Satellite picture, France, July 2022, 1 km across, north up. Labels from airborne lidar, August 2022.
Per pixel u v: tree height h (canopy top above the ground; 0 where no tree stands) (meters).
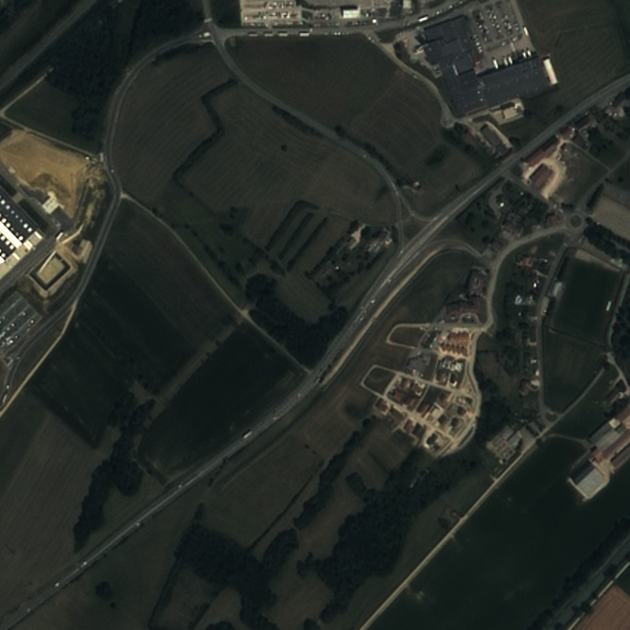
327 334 13
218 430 0
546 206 8
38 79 0
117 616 0
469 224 11
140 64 0
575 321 0
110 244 0
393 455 0
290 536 10
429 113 0
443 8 0
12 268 0
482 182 0
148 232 0
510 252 0
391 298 0
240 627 0
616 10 0
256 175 0
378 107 0
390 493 9
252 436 0
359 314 0
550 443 0
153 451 0
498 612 0
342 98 0
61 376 0
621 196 0
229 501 0
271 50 0
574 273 0
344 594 14
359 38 0
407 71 0
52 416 0
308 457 0
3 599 0
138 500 0
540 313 0
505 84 0
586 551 0
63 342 0
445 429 0
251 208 0
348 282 9
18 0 8
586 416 0
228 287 0
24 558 0
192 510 0
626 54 0
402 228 0
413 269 0
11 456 0
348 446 9
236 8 0
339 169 0
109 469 18
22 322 0
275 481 0
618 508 0
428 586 0
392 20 0
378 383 0
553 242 0
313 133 6
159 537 0
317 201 0
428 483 10
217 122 7
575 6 0
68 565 0
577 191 0
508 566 0
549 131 0
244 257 0
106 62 22
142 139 0
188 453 0
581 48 0
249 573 21
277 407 0
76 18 0
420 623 0
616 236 9
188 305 0
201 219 0
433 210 0
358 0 0
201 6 0
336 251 7
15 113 0
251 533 0
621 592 0
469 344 0
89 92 21
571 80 0
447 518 0
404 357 0
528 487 0
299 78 0
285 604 0
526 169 0
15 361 0
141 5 9
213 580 11
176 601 0
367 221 0
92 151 0
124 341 0
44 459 0
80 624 0
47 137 0
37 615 0
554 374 0
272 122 0
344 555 22
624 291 0
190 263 0
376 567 19
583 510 0
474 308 0
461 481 0
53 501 0
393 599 0
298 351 14
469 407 0
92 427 0
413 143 0
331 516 0
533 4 0
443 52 0
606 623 0
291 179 0
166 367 0
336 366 0
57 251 0
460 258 0
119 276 0
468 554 0
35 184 0
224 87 6
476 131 0
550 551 0
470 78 0
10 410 0
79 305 0
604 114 6
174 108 0
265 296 13
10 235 0
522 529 0
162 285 0
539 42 0
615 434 0
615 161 0
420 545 0
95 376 0
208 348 0
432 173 0
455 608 0
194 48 7
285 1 0
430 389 0
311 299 0
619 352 18
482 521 0
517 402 0
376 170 0
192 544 20
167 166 0
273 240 7
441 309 0
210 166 0
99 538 0
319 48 0
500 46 0
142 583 0
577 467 0
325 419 0
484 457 0
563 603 9
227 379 0
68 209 0
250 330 0
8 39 0
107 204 0
